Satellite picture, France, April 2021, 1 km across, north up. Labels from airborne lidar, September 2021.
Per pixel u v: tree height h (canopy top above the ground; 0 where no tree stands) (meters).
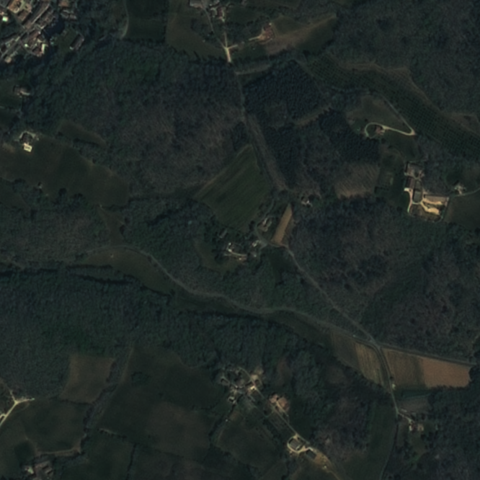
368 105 0
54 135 16
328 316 18
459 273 17
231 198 0
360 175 26
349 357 0
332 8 21
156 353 0
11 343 15
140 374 5
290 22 0
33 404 0
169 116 17
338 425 7
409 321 12
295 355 8
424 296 13
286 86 21
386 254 13
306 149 15
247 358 22
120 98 22
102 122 17
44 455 7
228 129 17
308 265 15
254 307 6
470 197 0
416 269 13
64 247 12
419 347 22
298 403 0
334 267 23
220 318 23
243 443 0
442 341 12
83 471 0
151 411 0
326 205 22
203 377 0
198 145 20
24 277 23
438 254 16
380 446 0
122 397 0
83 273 18
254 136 23
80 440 0
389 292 11
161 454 0
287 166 19
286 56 14
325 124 19
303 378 19
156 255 19
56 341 19
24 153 0
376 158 17
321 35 0
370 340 0
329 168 15
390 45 18
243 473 0
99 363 0
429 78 17
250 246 9
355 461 0
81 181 0
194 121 16
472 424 12
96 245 22
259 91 20
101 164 18
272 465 0
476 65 20
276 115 11
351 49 20
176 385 0
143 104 12
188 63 16
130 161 21
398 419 6
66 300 17
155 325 23
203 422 0
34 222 18
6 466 0
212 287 15
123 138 22
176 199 16
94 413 19
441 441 13
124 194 0
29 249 14
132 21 0
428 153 21
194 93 24
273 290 18
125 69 17
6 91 0
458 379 0
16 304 22
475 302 21
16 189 16
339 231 23
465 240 17
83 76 21
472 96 20
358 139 18
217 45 17
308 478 0
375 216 22
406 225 23
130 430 0
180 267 17
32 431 0
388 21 15
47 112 19
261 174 8
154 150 19
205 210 21
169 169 18
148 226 16
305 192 8
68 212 23
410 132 0
